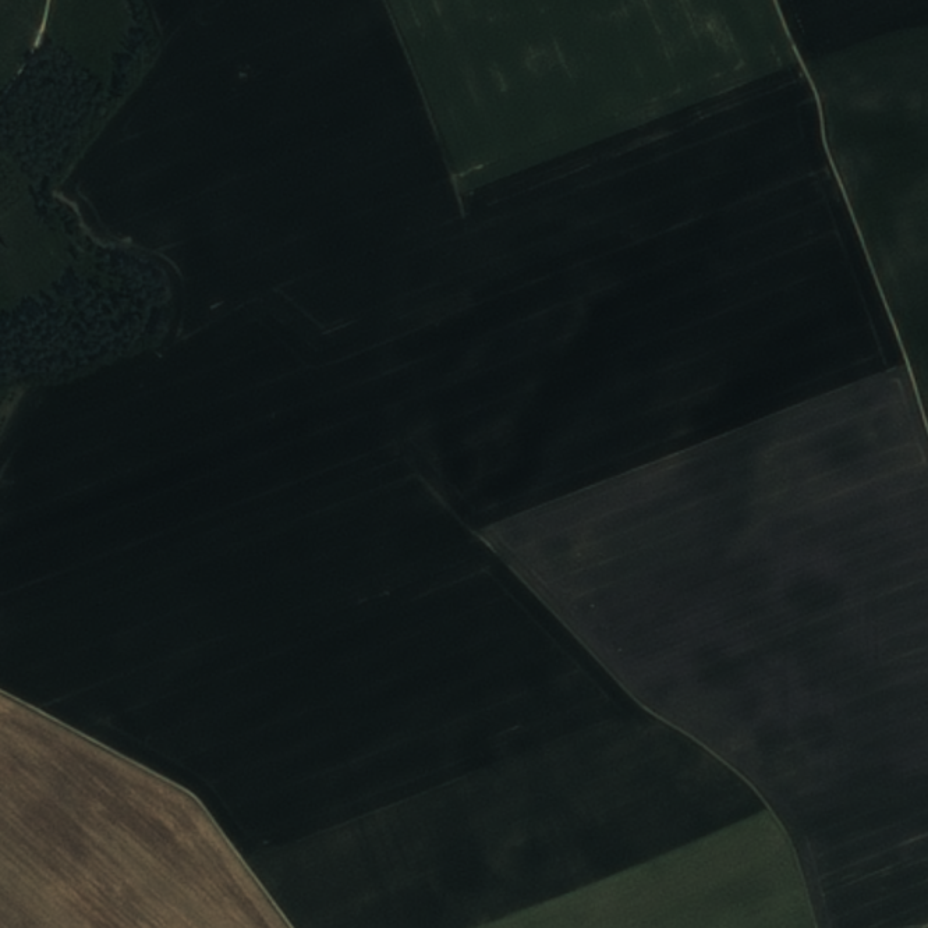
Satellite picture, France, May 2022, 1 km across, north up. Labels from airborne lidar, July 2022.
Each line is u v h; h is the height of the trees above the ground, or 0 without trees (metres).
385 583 0
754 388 0
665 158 0
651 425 0
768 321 0
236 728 0
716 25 0
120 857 0
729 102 0
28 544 0
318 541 0
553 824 0
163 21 0
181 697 0
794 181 0
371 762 0
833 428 0
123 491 0
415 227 0
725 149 0
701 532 0
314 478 0
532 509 0
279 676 0
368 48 0
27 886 0
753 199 0
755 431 0
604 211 0
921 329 0
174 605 0
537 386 0
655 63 0
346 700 0
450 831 0
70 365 36
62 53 24
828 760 0
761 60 0
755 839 0
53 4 0
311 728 0
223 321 0
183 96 0
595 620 0
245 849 0
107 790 0
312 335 0
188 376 0
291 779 0
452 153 0
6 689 0
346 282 0
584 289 0
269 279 0
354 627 0
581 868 0
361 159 0
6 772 0
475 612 0
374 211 0
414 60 0
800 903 0
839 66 0
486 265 0
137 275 33
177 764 0
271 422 0
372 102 0
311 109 0
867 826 0
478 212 0
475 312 0
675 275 0
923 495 0
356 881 0
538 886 0
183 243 0
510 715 0
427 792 0
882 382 0
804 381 0
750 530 0
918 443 0
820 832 0
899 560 0
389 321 0
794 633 0
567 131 0
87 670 0
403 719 0
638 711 0
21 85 20
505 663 0
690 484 0
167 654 0
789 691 0
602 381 0
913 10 0
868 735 0
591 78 0
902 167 0
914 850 0
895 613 0
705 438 0
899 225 0
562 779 0
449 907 0
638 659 0
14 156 25
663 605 0
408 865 0
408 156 0
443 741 0
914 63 0
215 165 0
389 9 0
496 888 0
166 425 0
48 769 0
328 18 0
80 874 0
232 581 0
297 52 0
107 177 0
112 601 0
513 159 0
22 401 0
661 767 0
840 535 0
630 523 0
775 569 0
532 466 0
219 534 0
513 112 0
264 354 0
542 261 0
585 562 0
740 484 0
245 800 0
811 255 0
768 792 0
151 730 0
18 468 0
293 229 0
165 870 0
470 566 0
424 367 0
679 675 0
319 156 0
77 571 0
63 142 29
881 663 0
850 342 0
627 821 0
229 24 0
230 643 0
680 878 0
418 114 0
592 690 0
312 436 0
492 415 0
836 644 0
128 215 0
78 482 0
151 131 0
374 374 0
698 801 0
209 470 0
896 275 0
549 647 0
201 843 0
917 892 0
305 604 0
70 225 19
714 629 0
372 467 0
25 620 0
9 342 36
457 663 0
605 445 0
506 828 0
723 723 0
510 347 0
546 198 0
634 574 0
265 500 0
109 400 0
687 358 0
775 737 0
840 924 0
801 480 0
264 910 0
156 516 0
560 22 0
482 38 0
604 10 0
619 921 0
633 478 0
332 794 0
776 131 0
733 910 0
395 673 0
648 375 0
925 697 0
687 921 0
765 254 0
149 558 0
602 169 0
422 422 0
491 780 0
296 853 0
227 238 0
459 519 0
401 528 0
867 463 0
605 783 0
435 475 0
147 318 15
